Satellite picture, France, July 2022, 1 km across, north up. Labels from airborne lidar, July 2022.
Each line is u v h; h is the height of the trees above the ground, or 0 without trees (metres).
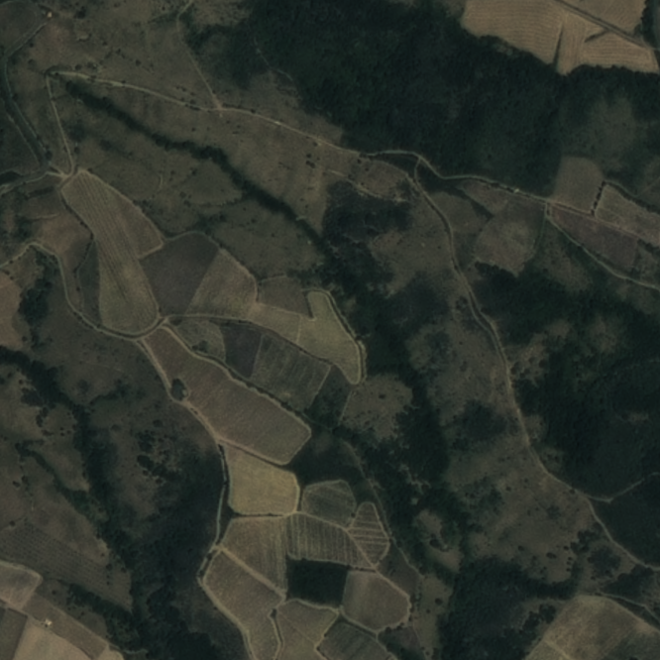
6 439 9
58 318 0
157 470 6
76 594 11
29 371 11
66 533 0
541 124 10
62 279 0
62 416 0
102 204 0
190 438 0
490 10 0
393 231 0
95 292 0
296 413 7
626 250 0
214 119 0
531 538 0
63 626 0
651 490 8
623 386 11
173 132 0
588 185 0
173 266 0
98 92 0
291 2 6
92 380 0
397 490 14
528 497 0
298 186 0
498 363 0
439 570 7
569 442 12
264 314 0
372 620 0
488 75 7
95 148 0
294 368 0
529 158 9
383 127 8
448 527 6
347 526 0
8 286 0
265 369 0
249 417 0
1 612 0
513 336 8
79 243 0
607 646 0
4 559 0
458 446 10
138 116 0
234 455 0
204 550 0
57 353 0
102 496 13
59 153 0
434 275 0
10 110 7
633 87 7
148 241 0
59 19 0
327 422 9
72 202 0
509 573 12
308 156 7
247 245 0
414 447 10
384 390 0
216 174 0
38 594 0
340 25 6
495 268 11
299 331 0
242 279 0
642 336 9
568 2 0
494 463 0
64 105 0
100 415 0
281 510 0
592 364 8
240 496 0
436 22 8
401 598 0
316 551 0
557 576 0
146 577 7
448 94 7
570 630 0
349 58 10
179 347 0
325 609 0
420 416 13
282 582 0
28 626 0
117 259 0
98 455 15
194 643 11
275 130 0
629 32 0
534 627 7
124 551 12
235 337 0
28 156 0
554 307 6
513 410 0
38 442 6
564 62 0
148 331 0
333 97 8
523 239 0
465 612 6
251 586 0
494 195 0
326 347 0
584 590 0
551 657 0
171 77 0
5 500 0
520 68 14
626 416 6
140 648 12
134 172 0
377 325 6
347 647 0
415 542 9
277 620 0
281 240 0
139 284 0
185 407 0
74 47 0
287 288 0
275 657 0
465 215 0
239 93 0
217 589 0
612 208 0
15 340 0
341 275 11
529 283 7
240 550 0
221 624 0
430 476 10
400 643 0
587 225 0
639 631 0
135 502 0
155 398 0
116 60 0
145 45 0
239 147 0
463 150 8
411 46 9
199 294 0
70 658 0
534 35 0
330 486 0
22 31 0
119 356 0
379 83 9
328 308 0
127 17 0
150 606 11
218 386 0
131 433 6
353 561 0
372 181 0
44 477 0
